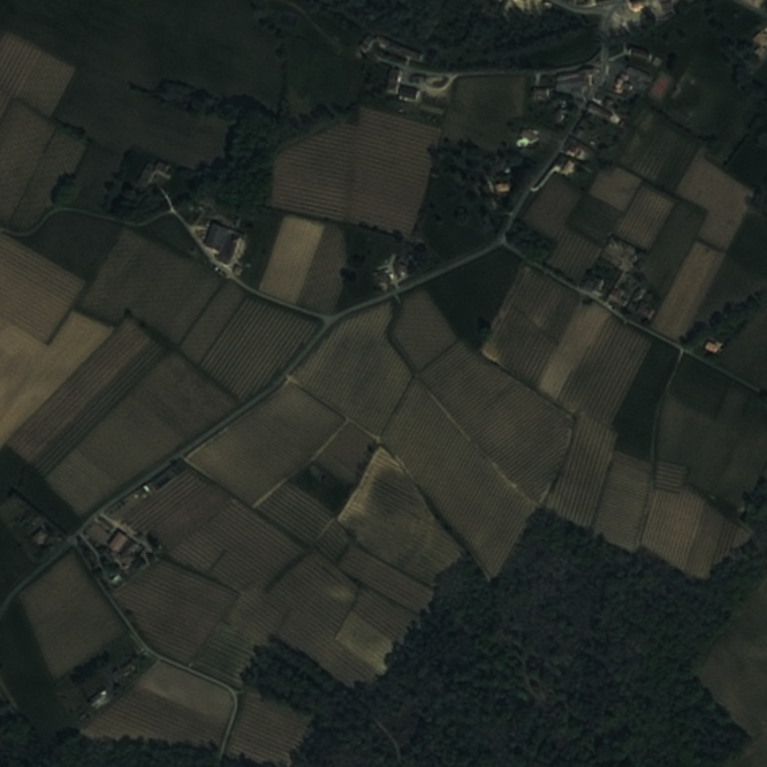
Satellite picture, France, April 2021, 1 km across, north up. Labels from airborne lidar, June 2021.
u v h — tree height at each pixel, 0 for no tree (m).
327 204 0
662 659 16
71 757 23
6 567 0
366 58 14
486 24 19
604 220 0
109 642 0
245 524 0
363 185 0
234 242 0
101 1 0
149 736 0
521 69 18
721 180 0
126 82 0
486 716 21
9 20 0
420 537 0
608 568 16
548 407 0
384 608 0
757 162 0
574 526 9
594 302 0
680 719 28
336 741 23
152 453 0
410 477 0
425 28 20
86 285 0
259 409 0
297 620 0
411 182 0
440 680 10
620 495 0
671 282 0
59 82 0
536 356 0
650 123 0
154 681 0
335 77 0
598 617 15
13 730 21
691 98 0
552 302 0
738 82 15
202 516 0
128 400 0
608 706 23
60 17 0
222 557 0
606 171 15
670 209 0
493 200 19
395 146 0
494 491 0
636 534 0
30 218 0
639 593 16
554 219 0
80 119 0
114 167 0
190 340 0
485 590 16
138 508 0
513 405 0
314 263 0
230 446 0
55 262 0
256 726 0
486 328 17
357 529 0
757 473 0
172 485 0
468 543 0
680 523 0
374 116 0
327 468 0
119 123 0
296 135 19
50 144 0
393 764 13
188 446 0
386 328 0
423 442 0
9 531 0
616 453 0
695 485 0
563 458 0
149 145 0
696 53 0
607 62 0
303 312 0
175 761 18
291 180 0
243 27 0
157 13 0
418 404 0
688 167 0
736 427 0
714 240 0
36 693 0
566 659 18
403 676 17
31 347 0
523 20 11
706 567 0
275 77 0
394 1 13
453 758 15
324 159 0
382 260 0
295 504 0
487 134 0
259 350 0
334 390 0
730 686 0
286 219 0
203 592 0
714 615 27
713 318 0
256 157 19
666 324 0
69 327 0
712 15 13
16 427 0
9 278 0
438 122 0
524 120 0
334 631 0
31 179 0
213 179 24
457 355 0
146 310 0
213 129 0
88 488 0
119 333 0
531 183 0
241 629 0
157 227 0
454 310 0
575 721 17
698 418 0
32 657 0
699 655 22
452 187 0
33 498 0
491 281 0
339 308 0
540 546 10
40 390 0
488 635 20
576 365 0
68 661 0
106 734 0
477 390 0
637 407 0
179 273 0
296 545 0
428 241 0
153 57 0
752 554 13
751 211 13
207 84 0
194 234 0
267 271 0
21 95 0
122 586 0
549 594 25
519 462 0
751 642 0
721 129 0
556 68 7
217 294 0
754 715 0
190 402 0
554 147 0
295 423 0
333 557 0
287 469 0
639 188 0
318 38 0
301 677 20
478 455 0
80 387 0
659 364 0
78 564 0
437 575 0
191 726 0
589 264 0
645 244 0
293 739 0
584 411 0
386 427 0
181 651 0
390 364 0
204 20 0
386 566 0
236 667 0
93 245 0
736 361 0
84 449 0
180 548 0
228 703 0
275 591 0
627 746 24
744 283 0
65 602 0
